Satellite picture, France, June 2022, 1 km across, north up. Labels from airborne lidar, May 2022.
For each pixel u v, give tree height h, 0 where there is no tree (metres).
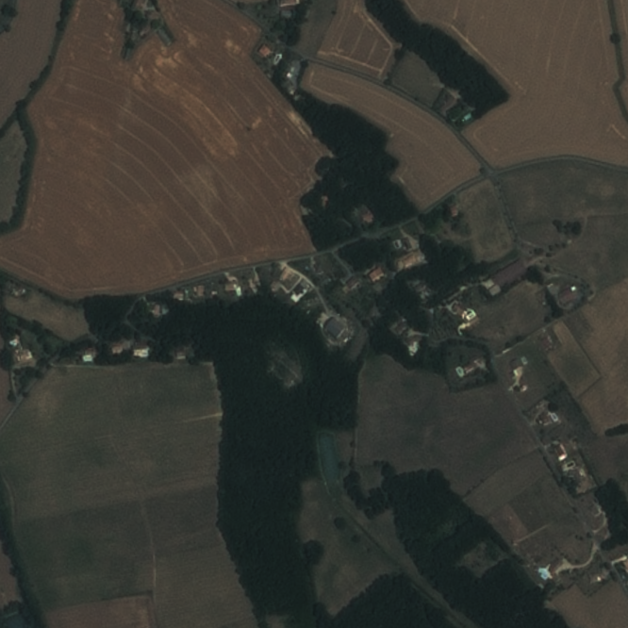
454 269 14
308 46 0
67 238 0
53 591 0
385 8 15
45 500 0
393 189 20
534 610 21
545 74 0
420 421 0
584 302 10
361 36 0
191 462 0
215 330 16
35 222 0
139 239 0
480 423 0
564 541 0
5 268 0
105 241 0
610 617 0
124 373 0
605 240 0
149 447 0
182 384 0
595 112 0
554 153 0
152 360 11
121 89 0
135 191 0
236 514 20
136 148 0
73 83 0
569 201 0
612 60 0
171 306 11
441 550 17
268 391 13
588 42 0
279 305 8
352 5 0
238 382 17
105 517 0
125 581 0
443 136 0
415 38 18
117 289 0
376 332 13
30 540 0
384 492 11
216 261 0
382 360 0
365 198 21
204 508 0
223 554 0
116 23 0
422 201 0
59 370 0
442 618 21
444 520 5
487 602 25
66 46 0
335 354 9
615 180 0
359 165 22
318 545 18
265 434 20
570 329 0
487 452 0
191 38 0
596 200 0
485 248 0
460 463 0
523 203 0
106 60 0
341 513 0
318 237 16
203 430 0
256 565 9
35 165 0
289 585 15
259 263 0
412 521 19
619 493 22
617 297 0
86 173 0
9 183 0
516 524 0
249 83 0
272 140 0
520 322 0
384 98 0
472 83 17
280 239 0
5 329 13
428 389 0
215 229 0
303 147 0
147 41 0
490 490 0
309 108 9
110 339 17
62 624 0
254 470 20
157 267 0
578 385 0
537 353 0
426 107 0
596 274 0
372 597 20
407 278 12
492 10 0
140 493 0
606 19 0
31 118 0
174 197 0
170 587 0
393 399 0
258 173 0
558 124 0
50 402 0
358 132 21
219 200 0
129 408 0
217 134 0
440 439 0
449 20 0
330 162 23
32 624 26
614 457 0
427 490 20
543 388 0
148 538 0
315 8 0
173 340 14
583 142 0
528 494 0
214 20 0
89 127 0
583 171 0
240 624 0
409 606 18
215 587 0
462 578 23
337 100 0
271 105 0
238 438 13
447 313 6
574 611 0
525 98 0
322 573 0
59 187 0
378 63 0
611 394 0
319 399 17
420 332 15
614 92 0
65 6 14
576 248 0
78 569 0
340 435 0
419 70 0
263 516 23
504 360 0
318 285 14
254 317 10
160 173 0
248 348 13
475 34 0
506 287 10
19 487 0
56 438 0
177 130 0
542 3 0
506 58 0
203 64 0
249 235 0
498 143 0
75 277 0
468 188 0
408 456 0
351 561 0
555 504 0
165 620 0
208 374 0
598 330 0
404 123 0
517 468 0
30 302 0
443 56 17
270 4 10
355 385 17
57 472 0
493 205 0
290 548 17
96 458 0
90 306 20
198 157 0
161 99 0
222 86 0
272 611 8
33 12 0
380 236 0
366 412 0
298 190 0
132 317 12
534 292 0
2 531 28
